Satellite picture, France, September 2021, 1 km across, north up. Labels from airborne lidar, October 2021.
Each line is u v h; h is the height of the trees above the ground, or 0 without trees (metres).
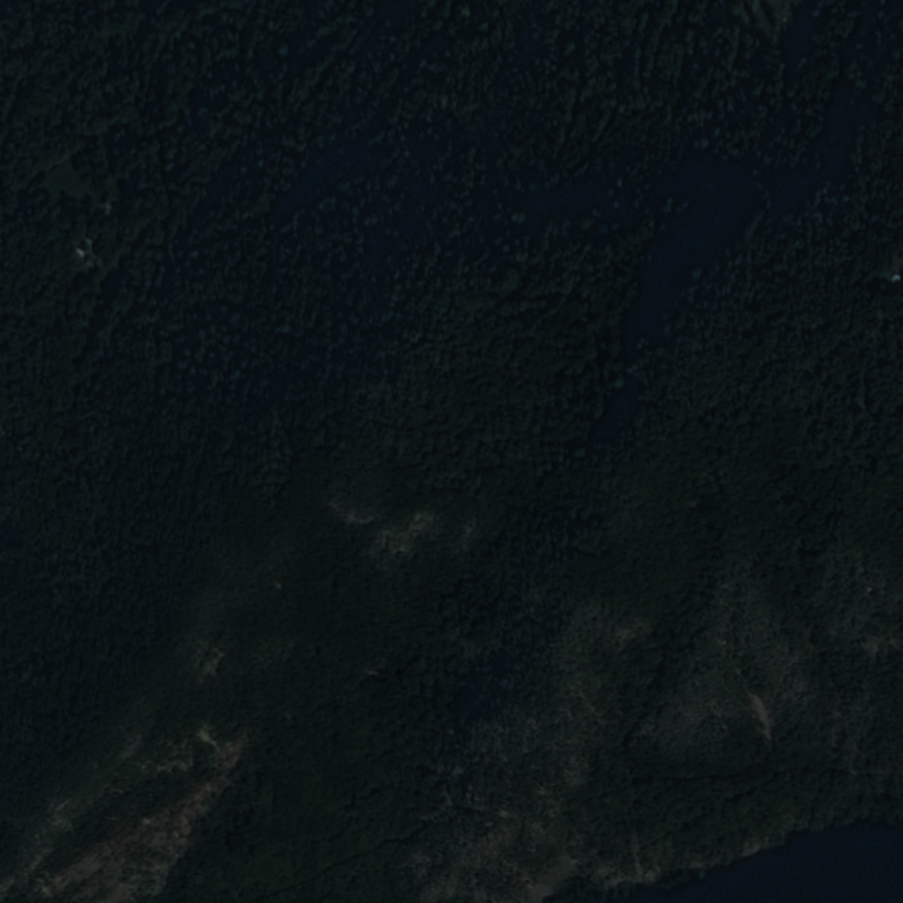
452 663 28
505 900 9
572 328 18
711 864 12
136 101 13
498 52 7
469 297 14
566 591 18
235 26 26
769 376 24
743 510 24
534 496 31
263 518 21
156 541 21
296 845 18
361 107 18
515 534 32
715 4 8
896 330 8
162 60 22
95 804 13
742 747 20
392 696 26
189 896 28
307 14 12
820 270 25
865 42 8
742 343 23
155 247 23
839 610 13
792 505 32
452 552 12
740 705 16
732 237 30
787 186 11
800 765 19
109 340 16
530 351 22
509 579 24
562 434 27
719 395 25
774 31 18
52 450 19
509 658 20
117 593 26
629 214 16
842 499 22
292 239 27
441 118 19
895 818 42
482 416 23
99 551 25
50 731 22
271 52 7
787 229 26
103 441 28
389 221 23
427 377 11
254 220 22
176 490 18
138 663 22
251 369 31
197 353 32
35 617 20
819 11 23
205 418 27
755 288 30
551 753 9
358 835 18
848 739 18
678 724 11
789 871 27
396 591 25
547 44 28
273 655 12
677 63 16
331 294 25
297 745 21
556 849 9
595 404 29
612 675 19
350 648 22
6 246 29
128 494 23
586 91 19
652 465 25
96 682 22
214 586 22
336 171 22
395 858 19
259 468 19
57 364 22
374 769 32
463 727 12
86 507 25
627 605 18
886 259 25
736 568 18
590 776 16
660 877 14
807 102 22
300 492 21
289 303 27
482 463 27
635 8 15
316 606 26
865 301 26
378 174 22
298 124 21
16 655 22
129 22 24
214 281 32
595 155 8
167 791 20
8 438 10
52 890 8
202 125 17
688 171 8
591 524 25
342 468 17
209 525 22
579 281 13
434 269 15
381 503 16
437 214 28
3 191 17
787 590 28
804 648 14
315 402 24
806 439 28
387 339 16
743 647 12
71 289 10
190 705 15
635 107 32
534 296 17
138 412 24
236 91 16
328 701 18
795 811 14
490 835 8
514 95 14
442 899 8
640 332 9
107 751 14
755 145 20
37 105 23
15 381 22
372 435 17
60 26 27
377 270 26
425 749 23
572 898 26
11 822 8
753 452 26
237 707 24
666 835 25
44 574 27
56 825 7
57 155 19
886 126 25
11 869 10
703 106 11
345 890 16
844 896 25
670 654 30
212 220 19
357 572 24
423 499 22
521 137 6
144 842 9
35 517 22
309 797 22
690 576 27
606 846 17
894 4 12
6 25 24
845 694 19
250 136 21
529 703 19
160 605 22
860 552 20
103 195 8
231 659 19
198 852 17
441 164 25
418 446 21
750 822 26
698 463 30
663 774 21
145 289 12
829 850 29
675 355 17
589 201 9
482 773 13
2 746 23
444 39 7
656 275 6
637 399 26
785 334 14
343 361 22
